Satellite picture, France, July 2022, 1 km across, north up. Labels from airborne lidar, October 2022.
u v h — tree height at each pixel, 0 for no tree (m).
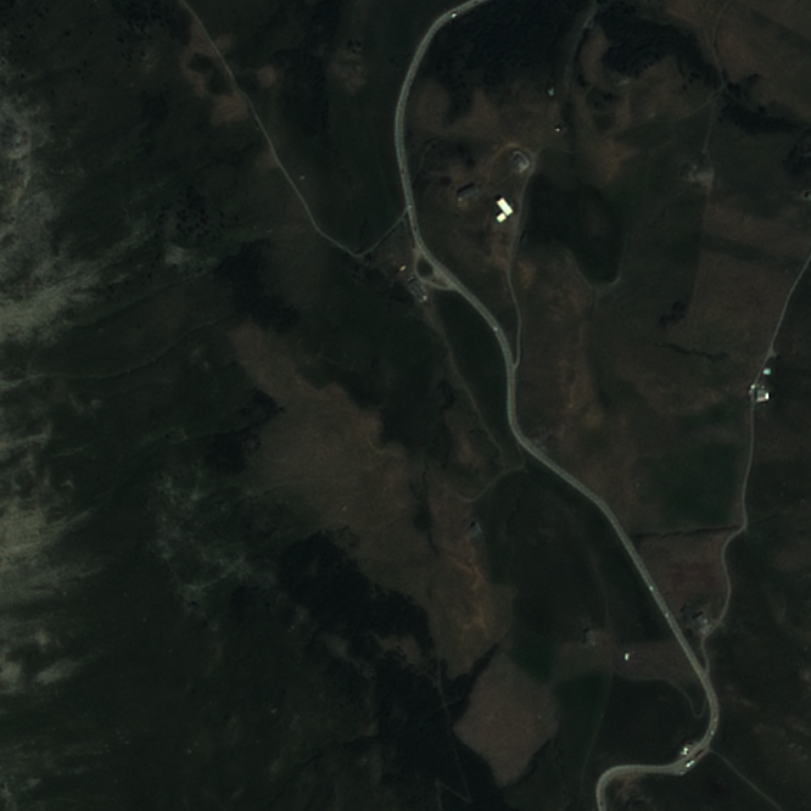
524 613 0
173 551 0
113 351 0
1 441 0
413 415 0
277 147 0
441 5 0
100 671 0
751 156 0
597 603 0
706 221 0
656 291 0
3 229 0
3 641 0
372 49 0
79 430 0
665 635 0
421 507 0
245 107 0
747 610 0
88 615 0
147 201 0
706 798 0
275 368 0
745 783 0
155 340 0
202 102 0
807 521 0
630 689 0
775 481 0
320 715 0
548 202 0
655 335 0
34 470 0
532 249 0
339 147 0
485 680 0
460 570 0
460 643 0
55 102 0
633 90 0
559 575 0
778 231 0
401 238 0
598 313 0
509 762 0
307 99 0
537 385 0
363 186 0
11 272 0
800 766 0
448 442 0
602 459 0
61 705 0
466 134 0
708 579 0
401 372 0
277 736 0
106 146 0
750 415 0
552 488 0
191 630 0
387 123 0
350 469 0
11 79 0
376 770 0
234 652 0
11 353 0
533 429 0
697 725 0
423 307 0
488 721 0
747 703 0
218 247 0
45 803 0
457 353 0
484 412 0
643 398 0
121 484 0
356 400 0
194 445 0
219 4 0
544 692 0
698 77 6
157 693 0
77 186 0
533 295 0
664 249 0
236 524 0
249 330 0
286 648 0
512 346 0
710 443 0
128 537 0
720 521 0
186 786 0
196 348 0
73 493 0
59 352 0
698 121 0
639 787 0
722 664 0
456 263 0
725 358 0
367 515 0
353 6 0
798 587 0
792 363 0
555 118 0
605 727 0
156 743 0
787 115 0
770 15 0
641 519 0
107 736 0
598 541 0
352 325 0
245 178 0
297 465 0
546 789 0
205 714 0
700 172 0
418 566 0
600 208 0
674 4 0
